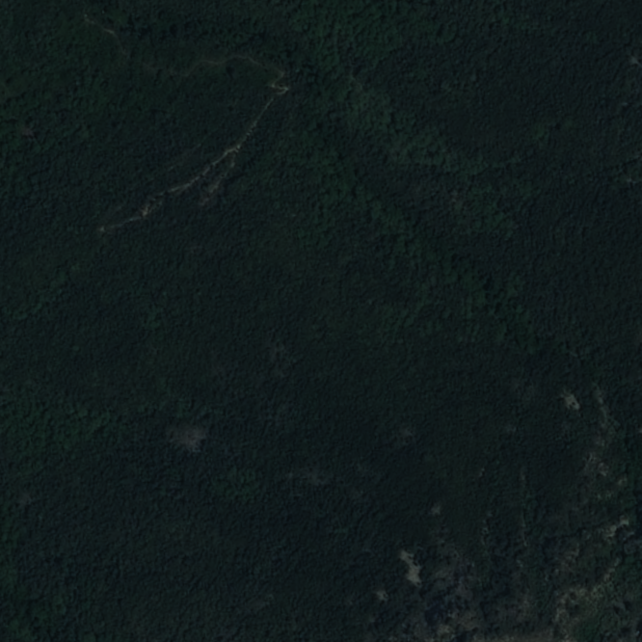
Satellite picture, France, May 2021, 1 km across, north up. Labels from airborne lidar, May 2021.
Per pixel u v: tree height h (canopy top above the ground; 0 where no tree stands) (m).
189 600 9
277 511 13
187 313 11
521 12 15
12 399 17
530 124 13
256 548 9
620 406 17
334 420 14
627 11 12
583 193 15
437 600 8
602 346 8
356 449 8
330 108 13
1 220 8
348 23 15
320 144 25
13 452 8
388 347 14
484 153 11
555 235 13
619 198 18
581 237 14
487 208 16
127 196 7
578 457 9
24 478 9
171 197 12
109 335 10
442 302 13
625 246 14
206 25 27
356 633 7
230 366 8
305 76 21
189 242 7
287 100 6
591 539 10
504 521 10
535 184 16
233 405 15
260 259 12
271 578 17
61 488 15
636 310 13
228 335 8
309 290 10
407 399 11
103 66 6
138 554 12
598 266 15
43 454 15
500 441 10
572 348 17
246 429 11
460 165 20
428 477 10
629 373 12
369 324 11
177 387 13
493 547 7
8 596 21
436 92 17
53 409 17
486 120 10
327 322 12
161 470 15
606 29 16
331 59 17
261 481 15
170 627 11
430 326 15
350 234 9
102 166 13
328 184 20
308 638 12
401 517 12
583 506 6
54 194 13
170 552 13
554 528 7
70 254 14
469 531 6
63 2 8
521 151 16
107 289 17
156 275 9
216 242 5
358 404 12
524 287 14
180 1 14
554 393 10
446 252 26
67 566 17
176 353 8
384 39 20
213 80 10
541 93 14
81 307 12
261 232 12
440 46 11
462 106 8
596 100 9
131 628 11
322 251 14
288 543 9
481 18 11
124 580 12
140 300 16
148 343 12
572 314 13
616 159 16
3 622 16
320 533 16
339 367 8
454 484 13
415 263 8
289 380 10
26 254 11
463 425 10
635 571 7
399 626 9
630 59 7
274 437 13
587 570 10
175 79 7
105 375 7
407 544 10
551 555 15
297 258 12
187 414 13
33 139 16
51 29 14
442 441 14
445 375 9
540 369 7
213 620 10
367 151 7
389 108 17
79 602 15
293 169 16
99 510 8
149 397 15
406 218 19
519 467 8
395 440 7
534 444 11
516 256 11
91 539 9
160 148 5
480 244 8
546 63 10
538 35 11
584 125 9
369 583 11
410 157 17
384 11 17
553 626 11
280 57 12
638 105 11
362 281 14
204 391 15
